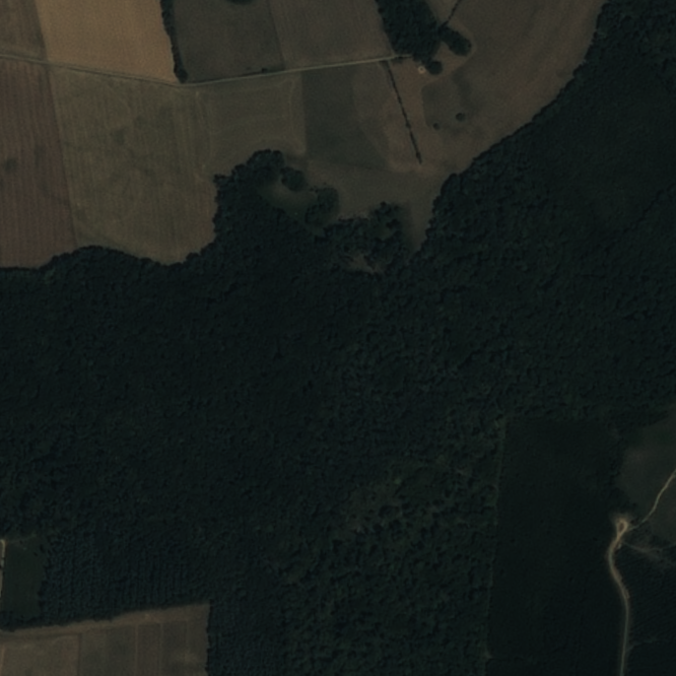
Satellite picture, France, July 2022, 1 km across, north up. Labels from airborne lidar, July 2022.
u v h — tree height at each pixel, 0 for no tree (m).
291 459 22
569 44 0
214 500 22
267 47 0
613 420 6
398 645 21
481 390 23
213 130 0
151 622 0
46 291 22
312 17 0
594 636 8
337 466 19
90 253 15
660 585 6
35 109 0
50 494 21
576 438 10
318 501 20
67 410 21
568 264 24
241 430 21
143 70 0
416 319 20
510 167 20
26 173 0
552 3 0
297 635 14
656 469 0
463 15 0
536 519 8
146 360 20
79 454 24
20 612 0
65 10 0
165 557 14
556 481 7
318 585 19
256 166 17
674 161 13
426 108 0
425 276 17
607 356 22
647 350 24
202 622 0
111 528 16
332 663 23
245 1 10
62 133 0
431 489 10
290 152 0
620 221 10
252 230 21
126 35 0
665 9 23
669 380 22
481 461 12
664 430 0
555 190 8
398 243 15
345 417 21
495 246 21
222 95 0
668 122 11
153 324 23
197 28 0
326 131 0
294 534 24
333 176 0
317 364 21
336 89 0
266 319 25
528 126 11
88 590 21
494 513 20
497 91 0
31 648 0
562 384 22
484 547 12
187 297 24
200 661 0
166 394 21
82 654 0
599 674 9
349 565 24
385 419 17
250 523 24
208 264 20
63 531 8
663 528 0
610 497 9
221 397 20
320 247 22
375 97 0
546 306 22
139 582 20
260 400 20
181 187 0
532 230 13
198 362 21
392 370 24
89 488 23
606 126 11
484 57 0
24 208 0
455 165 0
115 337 23
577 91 12
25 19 0
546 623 6
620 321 22
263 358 21
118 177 0
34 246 0
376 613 23
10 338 21
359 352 14
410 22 16
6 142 0
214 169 0
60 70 0
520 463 7
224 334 22
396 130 0
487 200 21
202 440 22
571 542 8
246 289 23
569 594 7
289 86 0
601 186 10
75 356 21
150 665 0
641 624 6
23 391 23
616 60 9
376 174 0
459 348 30
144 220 0
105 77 0
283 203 0
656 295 21
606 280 29
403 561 9
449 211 17
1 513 26
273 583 17
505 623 6
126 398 22
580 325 21
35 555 0
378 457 20
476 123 0
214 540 14
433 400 23
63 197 0
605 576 7
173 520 20
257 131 0
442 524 22
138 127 0
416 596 20
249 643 16
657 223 21
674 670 8
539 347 22
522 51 0
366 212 0
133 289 22
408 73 0
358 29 0
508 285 26
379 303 27
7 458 21
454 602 14
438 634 23
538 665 10
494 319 16
